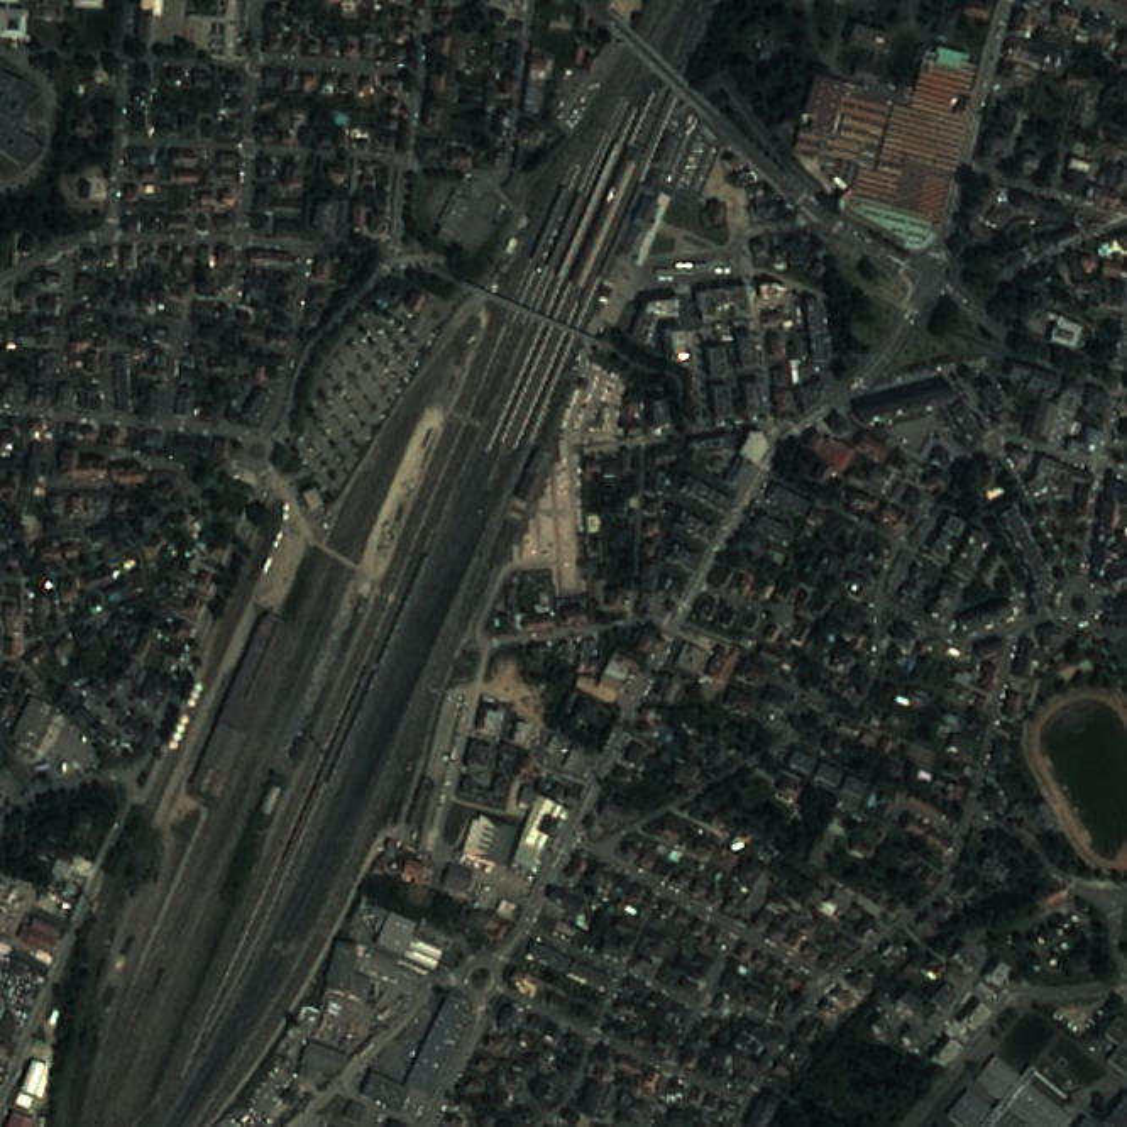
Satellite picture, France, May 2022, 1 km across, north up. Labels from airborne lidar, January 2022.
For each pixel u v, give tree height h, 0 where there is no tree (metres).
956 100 0
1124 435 13
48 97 0
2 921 0
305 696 0
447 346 0
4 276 0
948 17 0
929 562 0
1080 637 7
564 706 6
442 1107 0
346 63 0
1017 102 11
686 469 0
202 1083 0
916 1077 21
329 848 0
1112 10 0
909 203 0
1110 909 0
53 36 0
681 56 0
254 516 13
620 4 0
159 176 0
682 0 0
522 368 0
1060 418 0
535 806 0
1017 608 0
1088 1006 0
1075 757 0
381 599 0
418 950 0
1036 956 10
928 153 0
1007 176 20
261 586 0
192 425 0
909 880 9
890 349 0
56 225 16
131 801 0
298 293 0
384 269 0
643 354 13
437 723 0
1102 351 19
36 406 0
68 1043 8
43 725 0
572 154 0
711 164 0
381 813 0
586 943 0
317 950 0
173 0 0
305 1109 0
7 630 0
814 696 0
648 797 0
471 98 10
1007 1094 0
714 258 0
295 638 0
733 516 0
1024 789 10
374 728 0
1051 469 0
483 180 0
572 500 0
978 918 13
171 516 6
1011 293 14
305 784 0
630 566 11
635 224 0
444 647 0
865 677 14
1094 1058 0
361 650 0
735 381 0
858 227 0
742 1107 0
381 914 0
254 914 0
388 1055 0
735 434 7
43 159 0
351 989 0
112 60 13
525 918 0
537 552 0
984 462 9
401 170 0
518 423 0
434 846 0
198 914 0
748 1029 0
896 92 0
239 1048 0
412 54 14
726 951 0
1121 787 0
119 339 0
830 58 0
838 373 18
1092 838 0
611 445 0
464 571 0
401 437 0
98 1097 0
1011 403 0
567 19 0
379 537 0
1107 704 0
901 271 0
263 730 0
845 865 0
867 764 12
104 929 0
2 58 0
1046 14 0
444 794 0
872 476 0
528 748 8
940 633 0
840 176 0
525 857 0
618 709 7
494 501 0
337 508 0
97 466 0
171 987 0
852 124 0
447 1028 0
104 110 12
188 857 0
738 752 9
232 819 0
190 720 0
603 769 0
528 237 0
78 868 0
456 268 12
